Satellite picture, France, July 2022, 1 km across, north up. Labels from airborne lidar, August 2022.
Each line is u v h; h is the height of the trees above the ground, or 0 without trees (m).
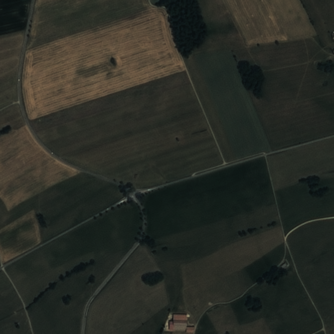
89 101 0
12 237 0
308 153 0
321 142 0
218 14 0
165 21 0
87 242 0
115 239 0
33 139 0
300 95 0
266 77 0
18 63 0
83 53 0
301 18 0
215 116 0
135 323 0
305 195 0
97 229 0
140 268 0
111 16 0
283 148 0
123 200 0
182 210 0
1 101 0
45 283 0
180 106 0
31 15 0
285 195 0
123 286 0
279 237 0
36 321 0
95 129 0
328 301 0
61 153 0
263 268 0
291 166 0
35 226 0
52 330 0
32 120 0
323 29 0
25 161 0
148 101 0
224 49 0
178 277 0
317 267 0
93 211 0
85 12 0
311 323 0
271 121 0
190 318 0
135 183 0
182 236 0
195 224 0
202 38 21
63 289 0
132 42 0
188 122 0
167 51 0
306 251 0
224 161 0
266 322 0
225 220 0
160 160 0
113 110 0
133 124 0
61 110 0
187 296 0
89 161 0
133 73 0
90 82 0
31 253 0
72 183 0
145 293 0
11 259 0
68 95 0
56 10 0
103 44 0
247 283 0
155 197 0
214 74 0
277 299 0
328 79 0
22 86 0
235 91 0
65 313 0
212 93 0
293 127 0
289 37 0
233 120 0
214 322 0
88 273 0
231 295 0
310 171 0
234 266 0
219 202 0
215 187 0
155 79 0
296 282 0
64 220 0
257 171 0
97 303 0
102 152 0
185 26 32
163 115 0
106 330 0
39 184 0
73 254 0
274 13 0
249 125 0
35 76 0
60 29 0
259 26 0
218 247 0
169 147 0
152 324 0
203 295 0
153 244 19
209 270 0
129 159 0
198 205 0
